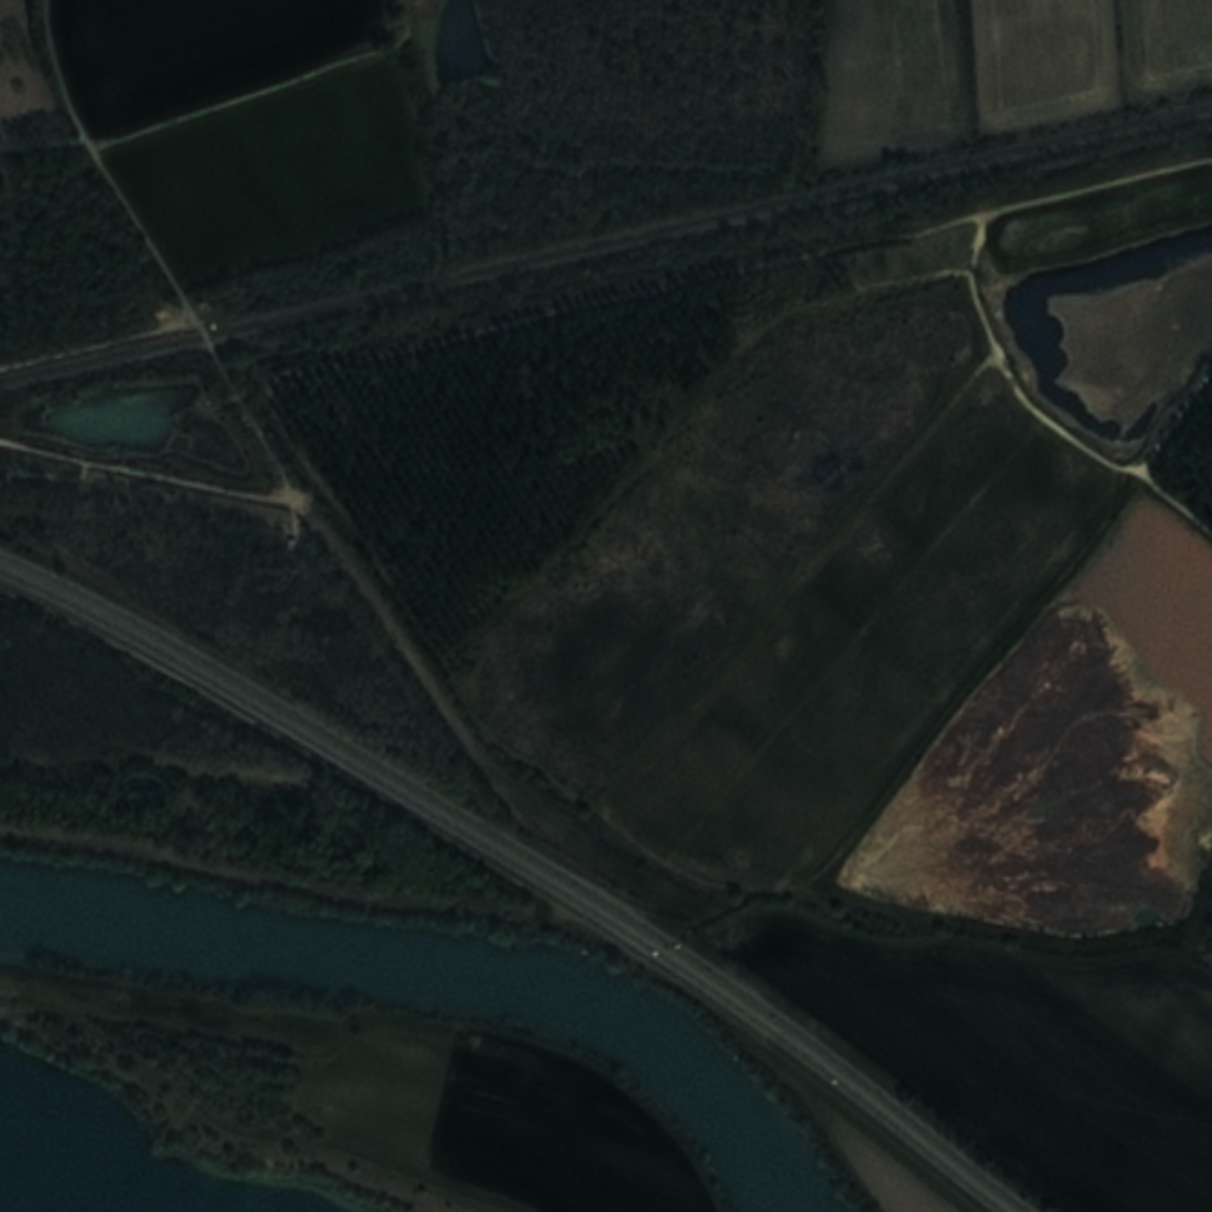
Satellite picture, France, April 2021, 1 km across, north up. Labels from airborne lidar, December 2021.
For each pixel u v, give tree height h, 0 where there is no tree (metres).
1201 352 0
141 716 18
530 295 6
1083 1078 0
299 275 5
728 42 6
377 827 22
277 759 24
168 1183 0
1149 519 0
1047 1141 0
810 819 0
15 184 19
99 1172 0
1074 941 0
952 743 0
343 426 24
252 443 0
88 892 0
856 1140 0
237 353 20
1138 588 0
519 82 14
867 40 0
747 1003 0
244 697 0
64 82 0
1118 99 0
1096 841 0
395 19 17
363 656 19
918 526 0
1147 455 0
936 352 0
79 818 17
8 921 0
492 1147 0
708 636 0
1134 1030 0
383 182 0
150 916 0
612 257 8
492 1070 0
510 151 12
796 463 0
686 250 11
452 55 0
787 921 0
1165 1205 0
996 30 0
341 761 0
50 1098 0
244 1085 8
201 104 0
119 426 0
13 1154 0
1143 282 0
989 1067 0
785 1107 13
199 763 22
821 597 0
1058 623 0
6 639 19
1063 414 0
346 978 0
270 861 14
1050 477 0
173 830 24
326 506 8
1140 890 0
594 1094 0
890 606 0
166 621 10
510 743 0
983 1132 0
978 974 0
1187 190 0
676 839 0
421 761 27
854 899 0
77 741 17
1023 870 0
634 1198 0
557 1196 0
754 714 0
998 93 0
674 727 0
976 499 0
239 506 0
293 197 0
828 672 0
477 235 19
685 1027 0
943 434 0
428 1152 0
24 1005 0
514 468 6
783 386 0
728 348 12
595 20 7
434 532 25
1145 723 0
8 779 16
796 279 17
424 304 29
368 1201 8
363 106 0
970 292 0
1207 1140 0
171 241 0
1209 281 0
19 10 0
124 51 0
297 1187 0
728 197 13
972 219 0
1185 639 0
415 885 16
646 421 18
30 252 16
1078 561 0
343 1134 0
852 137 0
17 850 18
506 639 0
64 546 20
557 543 22
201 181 0
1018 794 0
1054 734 0
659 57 11
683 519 0
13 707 18
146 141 0
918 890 0
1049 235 0
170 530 28
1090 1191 0
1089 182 0
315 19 0
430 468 12
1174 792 0
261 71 0
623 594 0
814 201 0
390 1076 0
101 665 21
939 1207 0
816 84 27
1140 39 0
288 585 21
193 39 0
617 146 16
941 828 0
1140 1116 0
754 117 8
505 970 0
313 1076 0
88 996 0
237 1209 0
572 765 0
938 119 0
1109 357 0
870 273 0
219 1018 0
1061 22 0
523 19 10
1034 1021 0
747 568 0
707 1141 0
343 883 20
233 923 0
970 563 0
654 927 0
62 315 20
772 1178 0
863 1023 0
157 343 0
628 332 22
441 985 0
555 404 20
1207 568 0
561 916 0
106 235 11
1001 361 0
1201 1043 0
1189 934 0
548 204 17
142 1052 6
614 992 0
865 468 0
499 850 0
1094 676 0
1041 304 0
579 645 0
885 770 0
